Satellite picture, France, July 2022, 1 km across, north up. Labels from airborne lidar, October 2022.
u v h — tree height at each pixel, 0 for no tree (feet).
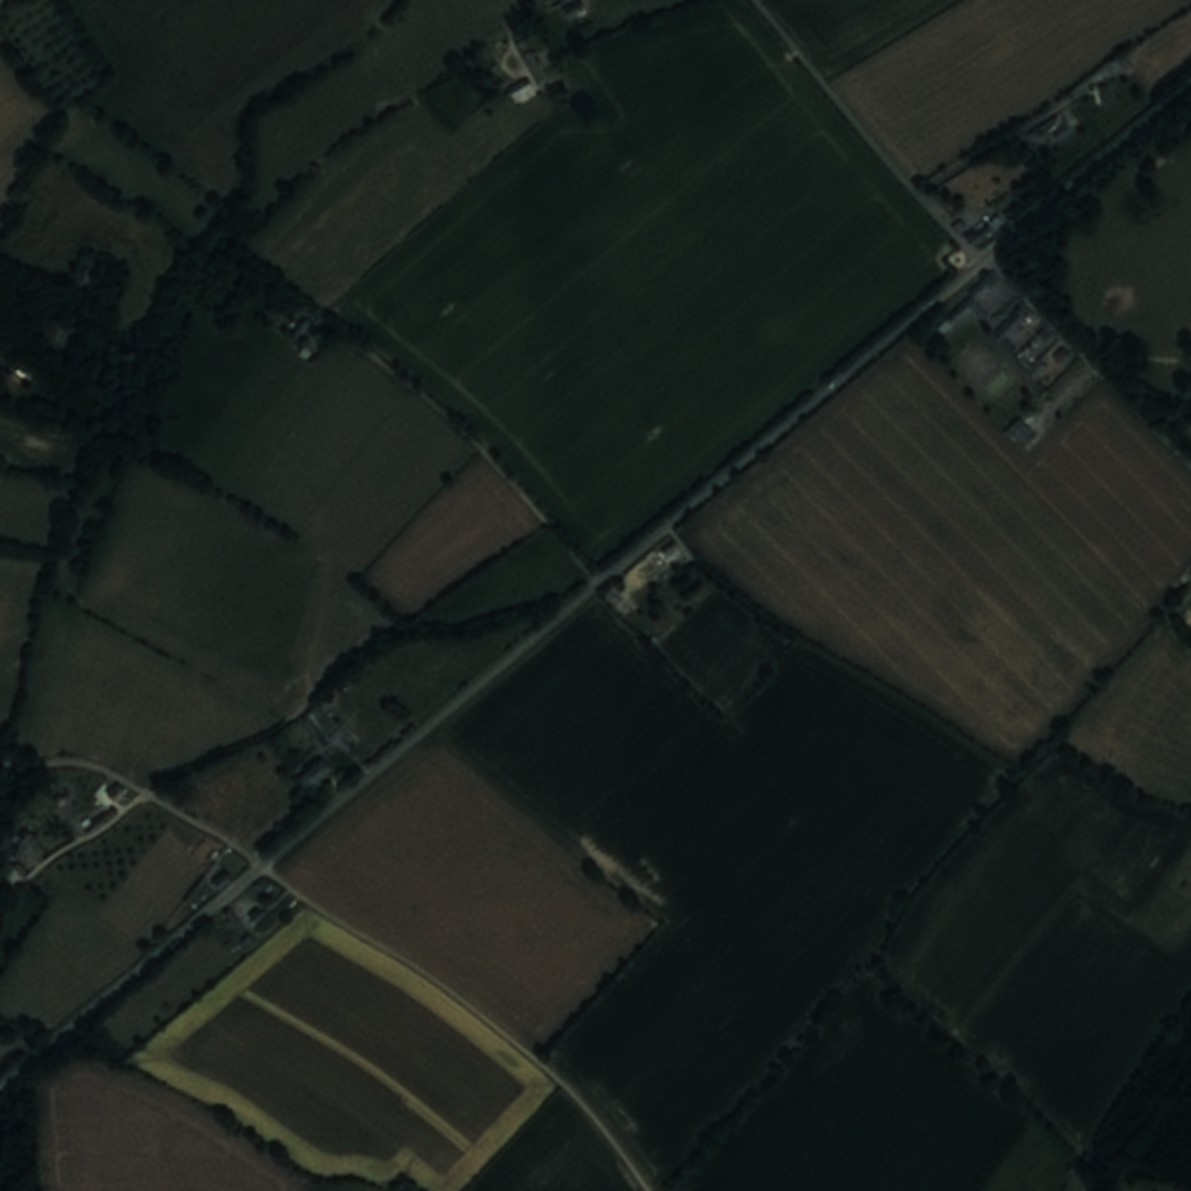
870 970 24
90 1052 47
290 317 34
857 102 0
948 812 0
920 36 0
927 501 0
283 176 0
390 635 41
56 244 0
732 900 0
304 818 47
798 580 0
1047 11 0
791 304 0
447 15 0
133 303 0
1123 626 0
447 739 0
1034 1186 0
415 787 0
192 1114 0
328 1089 0
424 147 0
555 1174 0
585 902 0
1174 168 0
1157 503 0
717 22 0
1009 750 0
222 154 0
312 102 0
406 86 0
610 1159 0
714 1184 0
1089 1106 0
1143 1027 0
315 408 0
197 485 63
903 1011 62
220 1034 0
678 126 0
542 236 0
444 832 0
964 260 0
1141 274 0
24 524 0
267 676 0
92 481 64
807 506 0
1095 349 65
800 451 0
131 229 0
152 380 107
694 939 0
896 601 0
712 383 0
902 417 0
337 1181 30
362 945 0
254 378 0
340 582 0
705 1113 0
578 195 0
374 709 0
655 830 0
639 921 0
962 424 0
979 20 0
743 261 0
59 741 0
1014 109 0
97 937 0
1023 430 0
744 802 0
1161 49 0
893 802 0
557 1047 31
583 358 0
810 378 0
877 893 0
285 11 0
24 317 62
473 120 0
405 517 0
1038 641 0
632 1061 0
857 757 0
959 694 0
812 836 0
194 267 72
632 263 0
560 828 0
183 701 0
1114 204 0
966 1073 0
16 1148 74
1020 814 0
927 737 0
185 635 0
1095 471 0
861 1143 0
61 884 0
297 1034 0
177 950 43
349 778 49
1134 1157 51
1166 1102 51
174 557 0
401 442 0
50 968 0
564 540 40
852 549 0
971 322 0
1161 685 0
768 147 0
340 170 0
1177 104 48
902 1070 0
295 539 19
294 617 0
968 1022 0
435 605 28
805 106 0
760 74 0
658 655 31
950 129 0
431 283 0
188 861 0
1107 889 0
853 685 0
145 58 0
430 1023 0
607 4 0
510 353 0
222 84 0
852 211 0
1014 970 0
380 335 0
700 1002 0
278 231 0
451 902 0
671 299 0
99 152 0
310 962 0
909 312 30
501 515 0
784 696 0
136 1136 0
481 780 0
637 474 0
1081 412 0
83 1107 0
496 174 0
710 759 0
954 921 0
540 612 50
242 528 0
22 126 0
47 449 0
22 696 31
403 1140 0
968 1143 0
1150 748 0
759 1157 0
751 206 0
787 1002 0
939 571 0
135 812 0
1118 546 0
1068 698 0
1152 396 67
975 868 0
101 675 0
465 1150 0
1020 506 0
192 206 0
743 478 34
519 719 0
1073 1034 0
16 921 0
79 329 61
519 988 0
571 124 0
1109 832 0
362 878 0
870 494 0
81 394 59
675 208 0
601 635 0
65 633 0
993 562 0
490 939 0
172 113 0
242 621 0
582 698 0
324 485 0
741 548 0
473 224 0
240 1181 0
